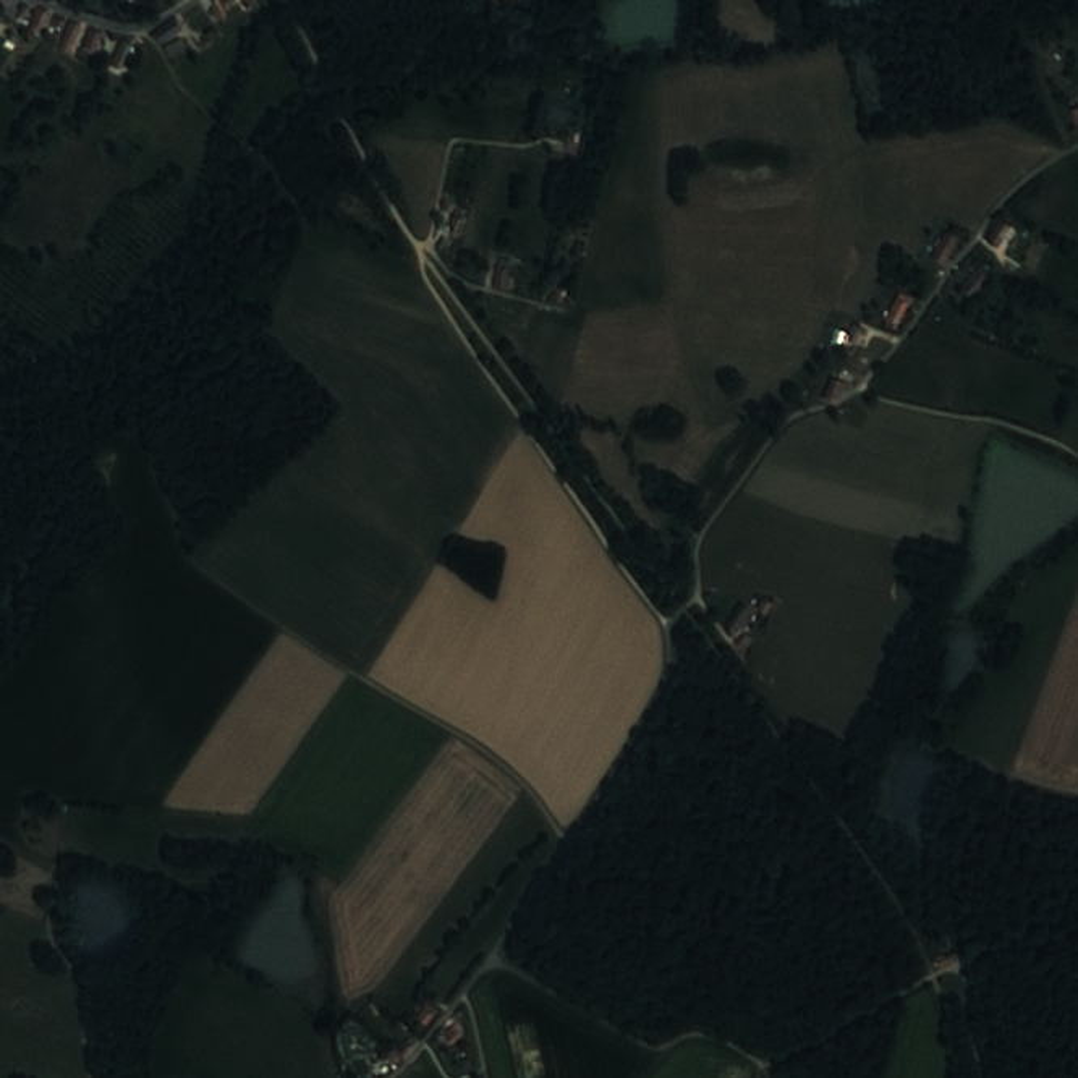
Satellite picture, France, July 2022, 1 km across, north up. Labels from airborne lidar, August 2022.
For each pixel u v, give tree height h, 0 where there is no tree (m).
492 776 0
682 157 18
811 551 0
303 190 20
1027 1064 18
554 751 0
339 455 0
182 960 18
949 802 26
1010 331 13
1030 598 0
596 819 20
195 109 0
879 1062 14
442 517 0
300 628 0
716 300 0
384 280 0
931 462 0
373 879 0
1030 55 15
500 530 0
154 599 0
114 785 0
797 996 21
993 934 18
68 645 0
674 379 0
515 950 12
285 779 0
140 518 0
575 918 27
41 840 7
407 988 0
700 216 0
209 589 0
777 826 26
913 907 24
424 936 0
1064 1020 26
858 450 0
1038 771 0
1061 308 27
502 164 0
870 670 0
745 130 0
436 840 0
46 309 8
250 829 0
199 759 0
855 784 25
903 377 0
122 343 20
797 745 17
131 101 0
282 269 19
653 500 16
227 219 16
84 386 15
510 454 0
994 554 0
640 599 0
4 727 0
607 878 24
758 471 0
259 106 0
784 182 0
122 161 20
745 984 27
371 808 0
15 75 6
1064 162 0
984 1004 16
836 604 0
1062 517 0
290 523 0
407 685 0
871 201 0
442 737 0
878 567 0
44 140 12
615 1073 0
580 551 0
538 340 0
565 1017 0
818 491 0
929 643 24
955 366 0
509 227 12
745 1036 19
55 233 0
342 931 0
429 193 0
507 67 17
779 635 0
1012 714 0
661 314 0
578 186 21
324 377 0
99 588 0
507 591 0
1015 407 0
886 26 15
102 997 24
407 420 0
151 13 20
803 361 0
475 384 0
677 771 22
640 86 0
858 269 0
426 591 0
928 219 0
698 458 0
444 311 0
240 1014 0
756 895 27
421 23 35
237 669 0
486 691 0
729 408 0
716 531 0
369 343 0
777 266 0
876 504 0
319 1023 10
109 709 0
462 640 0
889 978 18
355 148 14
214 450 22
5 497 19
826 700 0
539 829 0
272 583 0
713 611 10
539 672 0
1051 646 0
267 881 14
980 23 24
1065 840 24
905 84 10
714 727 22
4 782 0
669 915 27
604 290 0
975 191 0
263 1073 0
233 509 15
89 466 17
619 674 0
